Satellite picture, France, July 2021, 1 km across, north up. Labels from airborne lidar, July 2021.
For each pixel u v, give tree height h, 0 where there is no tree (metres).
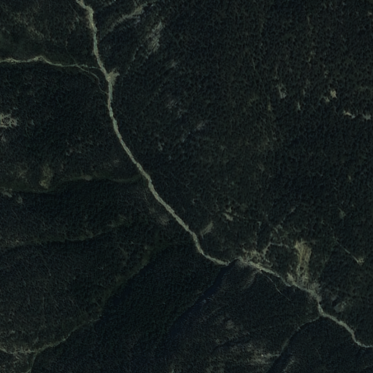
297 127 20
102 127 10
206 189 12
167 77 15
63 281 9
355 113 13
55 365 12
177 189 17
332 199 12
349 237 14
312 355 6
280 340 13
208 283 26
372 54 9
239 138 13
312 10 12
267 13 17
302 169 16
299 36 7
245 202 9
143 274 21
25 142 22
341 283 13
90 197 18
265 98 10
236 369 16
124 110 6
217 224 7
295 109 10
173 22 14
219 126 13
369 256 13
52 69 8
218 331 16
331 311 12
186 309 20
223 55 9
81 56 7
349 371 14
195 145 6
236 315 13
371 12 7
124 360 18
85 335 12
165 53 11
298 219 13
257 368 7
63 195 14
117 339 20
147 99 9
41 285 10
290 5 22
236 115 15
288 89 13
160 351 18
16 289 10
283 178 22
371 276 12
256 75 18
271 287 8
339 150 17
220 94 12
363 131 17
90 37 9
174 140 13
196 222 9
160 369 15
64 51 11
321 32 17
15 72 21
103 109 20
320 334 15
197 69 19
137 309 23
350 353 18
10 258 13
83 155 12
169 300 17
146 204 13
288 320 15
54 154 14
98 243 17
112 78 0
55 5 12
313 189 16
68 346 15
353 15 16
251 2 14
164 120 11
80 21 12
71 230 10
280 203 17
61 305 17
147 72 19
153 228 10
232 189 11
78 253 16
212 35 16
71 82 14
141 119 11
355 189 11
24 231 8
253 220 8
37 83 17
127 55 14
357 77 12
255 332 15
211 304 11
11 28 7
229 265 0
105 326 17
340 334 14
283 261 11
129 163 7
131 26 12
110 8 11
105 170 7
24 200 13
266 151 12
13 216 13
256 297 17
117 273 19
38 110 22
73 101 15
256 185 9
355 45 17
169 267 16
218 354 9
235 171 7
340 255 10
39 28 11
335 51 19
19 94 6
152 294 25
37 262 12
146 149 12
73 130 19
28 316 14
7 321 9
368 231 10
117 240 10
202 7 15
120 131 16
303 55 17
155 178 11
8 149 10
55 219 15
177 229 18
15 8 13
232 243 7
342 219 12
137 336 14
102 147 22
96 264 17
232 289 16
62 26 12
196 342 16
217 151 11
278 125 11
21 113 14
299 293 14
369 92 12
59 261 21
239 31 16
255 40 8
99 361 15
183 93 11
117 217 30
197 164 15
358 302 9
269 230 8
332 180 13
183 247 16
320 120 15
